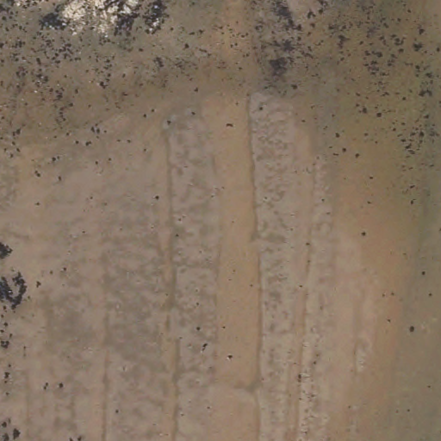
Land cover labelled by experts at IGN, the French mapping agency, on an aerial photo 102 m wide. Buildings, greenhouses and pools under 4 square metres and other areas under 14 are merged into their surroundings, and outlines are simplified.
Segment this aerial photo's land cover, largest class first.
<instances>
[{"label":"bare soil","instance_id":"1","mask_svg":"<svg viewBox=\"0 0 441 441\"><path fill-rule=\"evenodd\" d=\"M0 441H441V0H0Z\"/></svg>","mask_w":441,"mask_h":441}]
</instances>
